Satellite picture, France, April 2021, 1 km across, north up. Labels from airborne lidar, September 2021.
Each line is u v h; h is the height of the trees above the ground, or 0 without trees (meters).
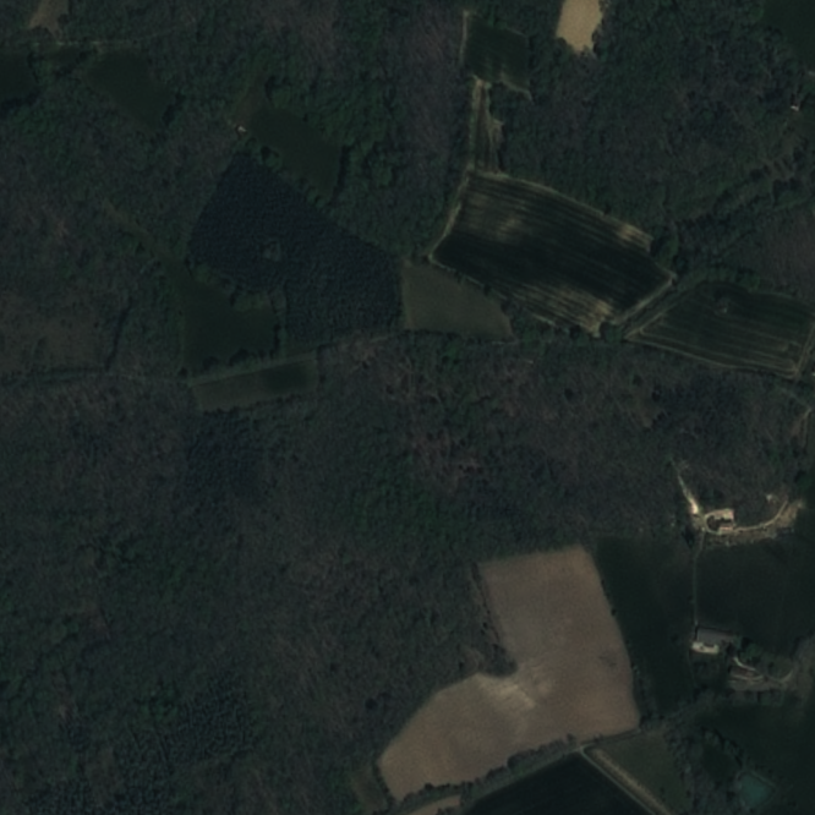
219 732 16
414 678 17
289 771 16
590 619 0
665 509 20
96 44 20
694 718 13
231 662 15
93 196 19
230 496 16
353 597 13
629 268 0
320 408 16
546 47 22
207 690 15
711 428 20
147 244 0
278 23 15
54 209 13
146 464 15
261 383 0
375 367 12
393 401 14
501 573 0
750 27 21
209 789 9
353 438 17
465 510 18
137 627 19
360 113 28
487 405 15
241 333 0
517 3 21
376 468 21
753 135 21
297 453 15
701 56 24
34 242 15
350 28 24
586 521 16
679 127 20
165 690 19
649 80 23
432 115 20
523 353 11
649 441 19
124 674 18
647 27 20
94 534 9
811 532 0
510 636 0
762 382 16
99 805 8
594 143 19
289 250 12
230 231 16
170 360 20
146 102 0
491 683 0
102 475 12
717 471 21
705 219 0
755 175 8
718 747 8
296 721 22
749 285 14
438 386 14
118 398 18
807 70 9
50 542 15
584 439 14
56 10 0
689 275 22
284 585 15
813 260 10
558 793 0
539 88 16
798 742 0
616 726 0
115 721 17
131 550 23
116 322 9
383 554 17
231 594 16
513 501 20
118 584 18
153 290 23
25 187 14
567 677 0
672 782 0
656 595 0
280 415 12
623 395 13
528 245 0
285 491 16
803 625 0
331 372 18
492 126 0
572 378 17
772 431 23
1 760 8
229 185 14
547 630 0
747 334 0
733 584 0
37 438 22
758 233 24
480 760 0
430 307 0
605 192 9
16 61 0
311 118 19
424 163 20
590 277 0
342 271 14
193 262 14
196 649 19
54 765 19
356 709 11
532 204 0
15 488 19
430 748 0
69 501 15
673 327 0
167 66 17
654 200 21
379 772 12
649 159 17
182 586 18
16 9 19
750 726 0
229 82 20
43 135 24
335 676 21
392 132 21
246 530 16
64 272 16
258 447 13
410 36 19
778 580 0
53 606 18
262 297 17
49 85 21
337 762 21
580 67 18
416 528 20
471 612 15
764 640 0
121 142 21
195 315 0
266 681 20
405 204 20
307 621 14
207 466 18
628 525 17
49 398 20
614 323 0
